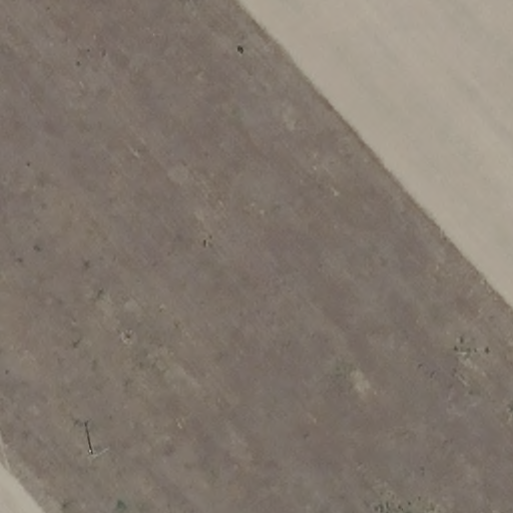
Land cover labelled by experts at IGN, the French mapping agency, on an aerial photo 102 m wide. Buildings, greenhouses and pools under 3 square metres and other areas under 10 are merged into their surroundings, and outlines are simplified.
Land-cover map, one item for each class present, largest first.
<instances>
[{"label":"agricultural land","instance_id":"1","mask_svg":"<svg viewBox=\"0 0 513 513\"><path fill-rule=\"evenodd\" d=\"M0 513H513V0H0Z\"/></svg>","mask_w":513,"mask_h":513}]
</instances>
